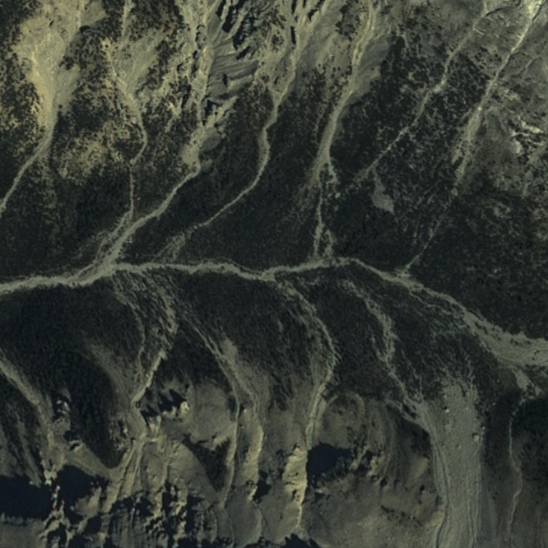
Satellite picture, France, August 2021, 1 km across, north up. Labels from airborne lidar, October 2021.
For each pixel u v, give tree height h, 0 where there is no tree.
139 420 0
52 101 0
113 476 0
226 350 0
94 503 0
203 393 0
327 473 6
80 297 6
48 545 0
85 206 12
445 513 0
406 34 0
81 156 0
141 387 0
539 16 0
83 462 0
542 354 0
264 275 0
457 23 0
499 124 0
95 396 6
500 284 15
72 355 14
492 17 0
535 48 0
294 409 0
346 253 12
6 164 6
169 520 0
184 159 0
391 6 0
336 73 0
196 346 14
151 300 11
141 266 0
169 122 11
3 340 7
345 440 0
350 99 0
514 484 0
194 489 0
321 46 0
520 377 0
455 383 0
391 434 0
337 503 0
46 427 0
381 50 0
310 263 0
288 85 0
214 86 0
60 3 0
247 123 6
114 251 0
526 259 6
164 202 0
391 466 0
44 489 0
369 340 6
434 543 0
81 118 7
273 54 0
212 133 0
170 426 0
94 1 0
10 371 0
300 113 7
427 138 0
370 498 0
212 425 0
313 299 10
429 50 0
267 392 0
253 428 0
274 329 7
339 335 11
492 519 0
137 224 0
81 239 9
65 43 0
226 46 0
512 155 0
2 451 0
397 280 0
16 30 6
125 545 0
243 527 0
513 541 0
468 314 0
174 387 0
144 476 0
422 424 0
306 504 0
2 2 8
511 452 0
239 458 0
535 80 0
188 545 0
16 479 0
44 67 0
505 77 0
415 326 6
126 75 0
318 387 0
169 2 10
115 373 0
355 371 10
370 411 0
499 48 0
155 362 0
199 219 8
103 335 7
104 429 8
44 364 10
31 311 9
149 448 0
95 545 0
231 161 8
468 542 0
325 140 0
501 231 5
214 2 0
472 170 0
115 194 10
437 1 0
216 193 15
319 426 0
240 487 0
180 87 9
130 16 0
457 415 0
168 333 9
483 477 0
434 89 0
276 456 0
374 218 14
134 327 7
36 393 0
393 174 8
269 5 0
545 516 0
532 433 8
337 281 8
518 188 0
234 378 0
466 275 8
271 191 10
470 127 0
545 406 7
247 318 6
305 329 9
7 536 0
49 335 14
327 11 0
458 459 0
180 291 8
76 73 0
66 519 0
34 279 0
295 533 0
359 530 0
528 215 9
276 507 0
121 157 12
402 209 6
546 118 0
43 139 0
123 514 0
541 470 6
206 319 7
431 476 0
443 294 0
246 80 0
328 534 0
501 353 0
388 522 0
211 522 0
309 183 0
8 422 6
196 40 8
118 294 0
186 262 8
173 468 0
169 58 6
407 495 0
